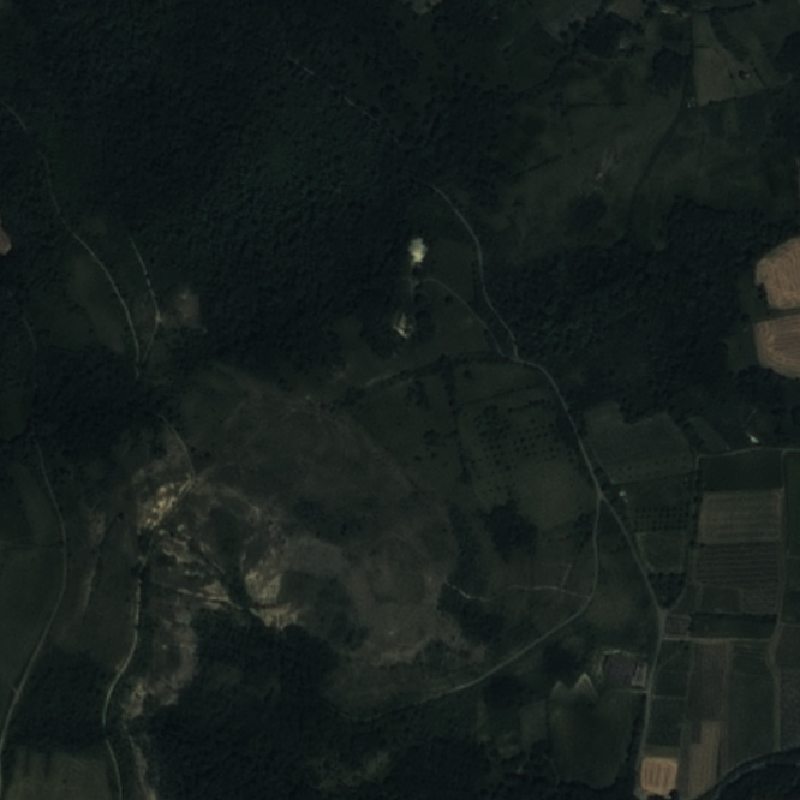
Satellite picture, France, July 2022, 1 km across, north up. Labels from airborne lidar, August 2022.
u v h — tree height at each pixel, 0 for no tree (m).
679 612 0
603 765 0
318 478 0
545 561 0
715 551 0
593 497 0
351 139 9
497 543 10
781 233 12
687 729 0
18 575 0
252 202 17
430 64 0
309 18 13
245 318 14
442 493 0
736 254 21
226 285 12
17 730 7
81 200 7
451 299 10
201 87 16
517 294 14
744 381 9
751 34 0
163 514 0
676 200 8
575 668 6
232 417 0
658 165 0
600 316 16
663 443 0
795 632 0
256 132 11
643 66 0
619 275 19
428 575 0
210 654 12
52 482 8
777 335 0
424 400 8
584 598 0
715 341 12
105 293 0
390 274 12
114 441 7
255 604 7
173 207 17
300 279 19
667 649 0
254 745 18
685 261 19
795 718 0
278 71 14
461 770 14
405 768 17
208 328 9
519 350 7
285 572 0
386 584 0
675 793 10
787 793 16
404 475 0
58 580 0
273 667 13
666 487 0
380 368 0
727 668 0
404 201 9
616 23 9
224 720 7
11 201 19
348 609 0
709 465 0
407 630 0
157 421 7
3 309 8
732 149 0
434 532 0
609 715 0
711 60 0
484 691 8
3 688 0
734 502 0
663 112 0
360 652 0
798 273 0
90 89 23
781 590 0
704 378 11
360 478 0
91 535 0
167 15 16
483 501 0
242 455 0
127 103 13
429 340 8
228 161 13
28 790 0
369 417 0
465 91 10
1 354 12
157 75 19
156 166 15
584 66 7
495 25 7
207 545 0
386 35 13
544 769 8
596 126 0
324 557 0
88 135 14
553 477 0
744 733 0
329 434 0
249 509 0
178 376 7
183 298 0
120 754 8
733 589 0
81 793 0
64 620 0
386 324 9
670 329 12
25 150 8
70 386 18
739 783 13
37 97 12
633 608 0
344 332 0
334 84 11
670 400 12
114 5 17
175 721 15
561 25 0
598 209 7
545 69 0
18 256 12
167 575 0
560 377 9
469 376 8
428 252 9
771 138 7
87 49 18
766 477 0
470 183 6
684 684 0
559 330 17
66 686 5
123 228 9
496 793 11
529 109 0
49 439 11
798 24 0
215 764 10
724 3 0
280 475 0
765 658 0
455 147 11
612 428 0
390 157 12
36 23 11
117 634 0
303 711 12
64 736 7
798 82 6
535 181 0
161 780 6
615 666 0
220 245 15
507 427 7
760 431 0
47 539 0
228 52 16
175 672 0
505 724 6
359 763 6
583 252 9
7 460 12
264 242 17
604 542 0
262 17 16
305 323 17
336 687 0
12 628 0
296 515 0
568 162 0
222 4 16
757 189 0
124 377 12
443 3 8
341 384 0
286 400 0
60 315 0
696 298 14
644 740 0
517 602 0
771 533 0
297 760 7
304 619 0
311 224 13
